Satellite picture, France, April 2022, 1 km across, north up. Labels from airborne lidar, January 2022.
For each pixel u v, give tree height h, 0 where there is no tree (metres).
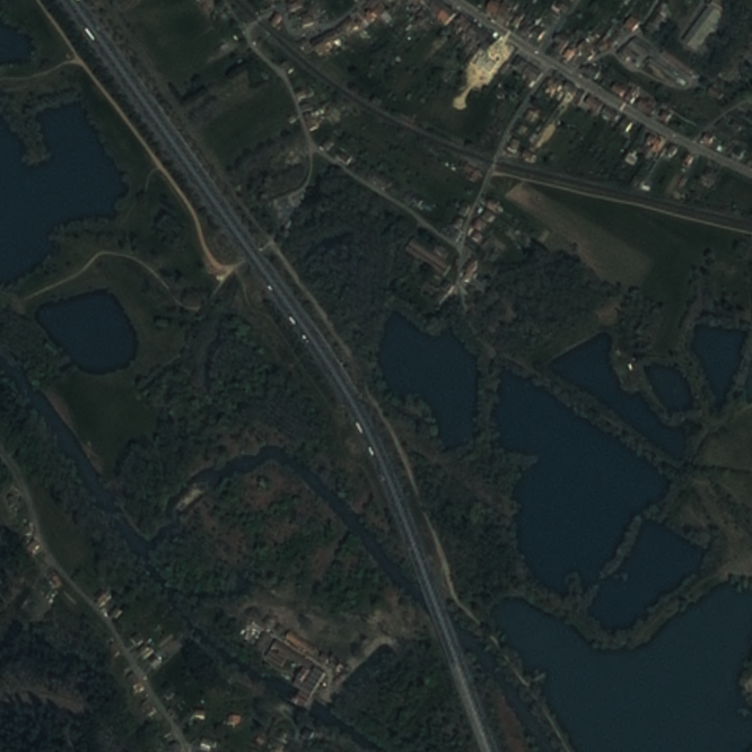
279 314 7
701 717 0
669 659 0
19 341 24
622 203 0
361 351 22
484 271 0
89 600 0
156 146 9
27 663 26
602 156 6
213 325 16
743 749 0
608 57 0
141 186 0
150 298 0
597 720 0
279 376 23
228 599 21
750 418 0
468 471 0
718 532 17
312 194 7
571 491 0
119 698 28
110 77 8
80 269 0
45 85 0
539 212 0
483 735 0
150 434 0
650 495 0
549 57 0
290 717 0
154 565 15
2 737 26
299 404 26
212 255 0
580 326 18
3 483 14
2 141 0
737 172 0
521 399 0
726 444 0
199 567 19
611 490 0
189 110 0
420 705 8
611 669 0
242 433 7
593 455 0
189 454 29
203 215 9
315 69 0
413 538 0
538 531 0
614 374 0
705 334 0
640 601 0
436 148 10
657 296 0
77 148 0
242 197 12
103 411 0
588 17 0
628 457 0
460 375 0
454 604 11
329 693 0
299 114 0
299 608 0
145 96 0
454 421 0
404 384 0
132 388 0
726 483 0
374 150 0
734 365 0
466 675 0
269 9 0
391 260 19
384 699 19
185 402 20
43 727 29
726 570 0
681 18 0
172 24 0
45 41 0
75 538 0
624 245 0
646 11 0
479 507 19
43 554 0
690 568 0
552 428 0
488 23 0
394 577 0
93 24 0
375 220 18
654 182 0
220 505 20
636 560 0
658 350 0
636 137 6
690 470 13
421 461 9
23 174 0
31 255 0
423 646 13
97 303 0
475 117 0
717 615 0
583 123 0
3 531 8
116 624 16
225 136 0
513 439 0
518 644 0
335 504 0
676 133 0
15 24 0
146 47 0
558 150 0
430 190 0
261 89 0
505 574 17
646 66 0
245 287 0
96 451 0
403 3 0
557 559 0
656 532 0
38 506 0
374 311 17
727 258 0
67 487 27
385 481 0
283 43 0
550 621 0
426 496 16
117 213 0
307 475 0
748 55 0
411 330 0
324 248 12
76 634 8
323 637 0
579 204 0
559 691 0
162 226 19
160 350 0
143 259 11
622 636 20
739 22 13
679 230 0
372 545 0
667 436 0
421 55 0
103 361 0
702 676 0
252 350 21
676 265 0
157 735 15
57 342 0
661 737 0
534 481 0
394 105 0
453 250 0
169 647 0
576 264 22
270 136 0
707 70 14
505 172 0
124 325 0
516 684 13
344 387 0
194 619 19
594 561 0
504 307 18
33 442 22
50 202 0
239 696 0
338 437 0
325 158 0
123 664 0
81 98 11
